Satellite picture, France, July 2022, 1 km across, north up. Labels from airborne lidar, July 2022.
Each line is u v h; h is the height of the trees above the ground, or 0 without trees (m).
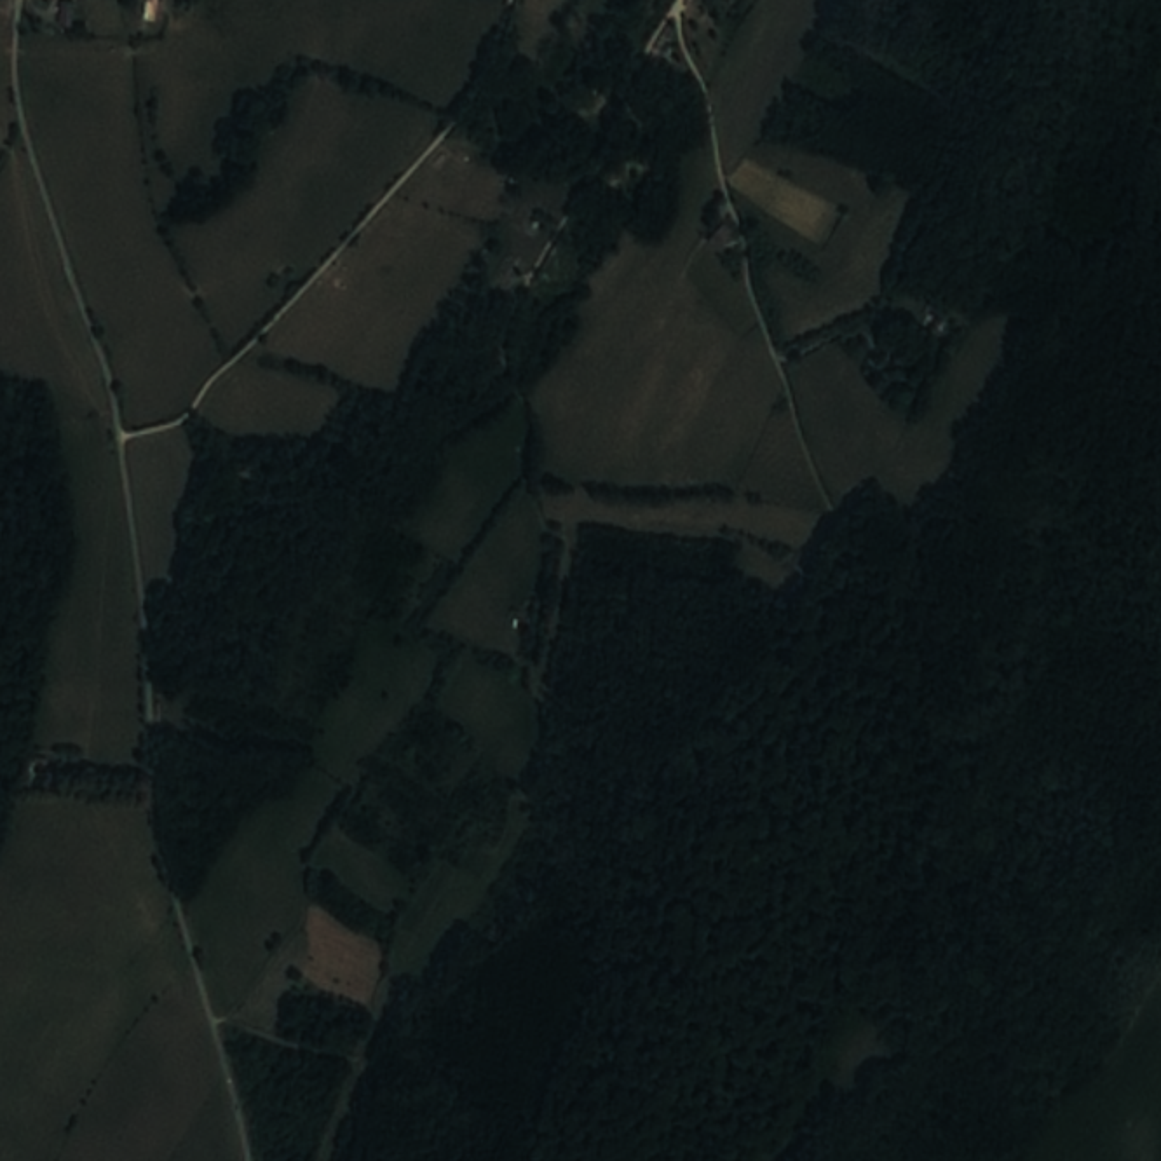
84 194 0
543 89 0
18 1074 0
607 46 16
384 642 0
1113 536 10
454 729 15
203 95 0
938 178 16
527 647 7
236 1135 0
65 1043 0
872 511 23
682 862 28
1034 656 21
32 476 25
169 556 0
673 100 18
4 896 0
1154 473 15
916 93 14
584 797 32
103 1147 0
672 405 0
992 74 17
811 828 27
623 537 11
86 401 0
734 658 33
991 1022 24
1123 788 19
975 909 30
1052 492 25
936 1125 23
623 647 22
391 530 7
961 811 24
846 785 24
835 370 0
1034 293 26
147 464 0
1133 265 23
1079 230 8
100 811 0
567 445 0
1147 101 14
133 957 0
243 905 0
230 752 24
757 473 0
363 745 0
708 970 25
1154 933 12
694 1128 18
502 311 20
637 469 0
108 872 0
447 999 11
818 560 25
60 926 0
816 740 25
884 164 14
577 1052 25
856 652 24
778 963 25
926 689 25
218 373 0
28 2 0
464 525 0
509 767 0
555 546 8
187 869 17
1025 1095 23
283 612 21
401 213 0
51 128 0
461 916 0
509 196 11
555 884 19
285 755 20
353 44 0
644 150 19
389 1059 15
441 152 0
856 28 28
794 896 23
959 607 28
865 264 0
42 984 0
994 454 26
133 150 0
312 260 0
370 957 0
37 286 0
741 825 27
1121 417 20
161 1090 0
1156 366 24
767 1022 25
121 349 0
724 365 0
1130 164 19
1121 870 20
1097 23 19
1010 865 30
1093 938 16
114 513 0
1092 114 17
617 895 28
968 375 0
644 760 32
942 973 23
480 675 0
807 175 0
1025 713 16
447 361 21
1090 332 25
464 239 0
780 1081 23
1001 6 25
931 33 6
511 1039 12
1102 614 19
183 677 19
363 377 0
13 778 19
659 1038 24
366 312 0
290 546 25
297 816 0
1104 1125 0
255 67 0
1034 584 21
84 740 0
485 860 0
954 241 23
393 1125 18
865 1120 22
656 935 27
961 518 22
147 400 0
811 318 0
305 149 0
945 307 18
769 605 13
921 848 31
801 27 0
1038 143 13
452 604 0
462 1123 18
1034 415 24
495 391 14
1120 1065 0
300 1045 8
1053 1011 21
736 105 0
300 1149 9
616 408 0
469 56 0
